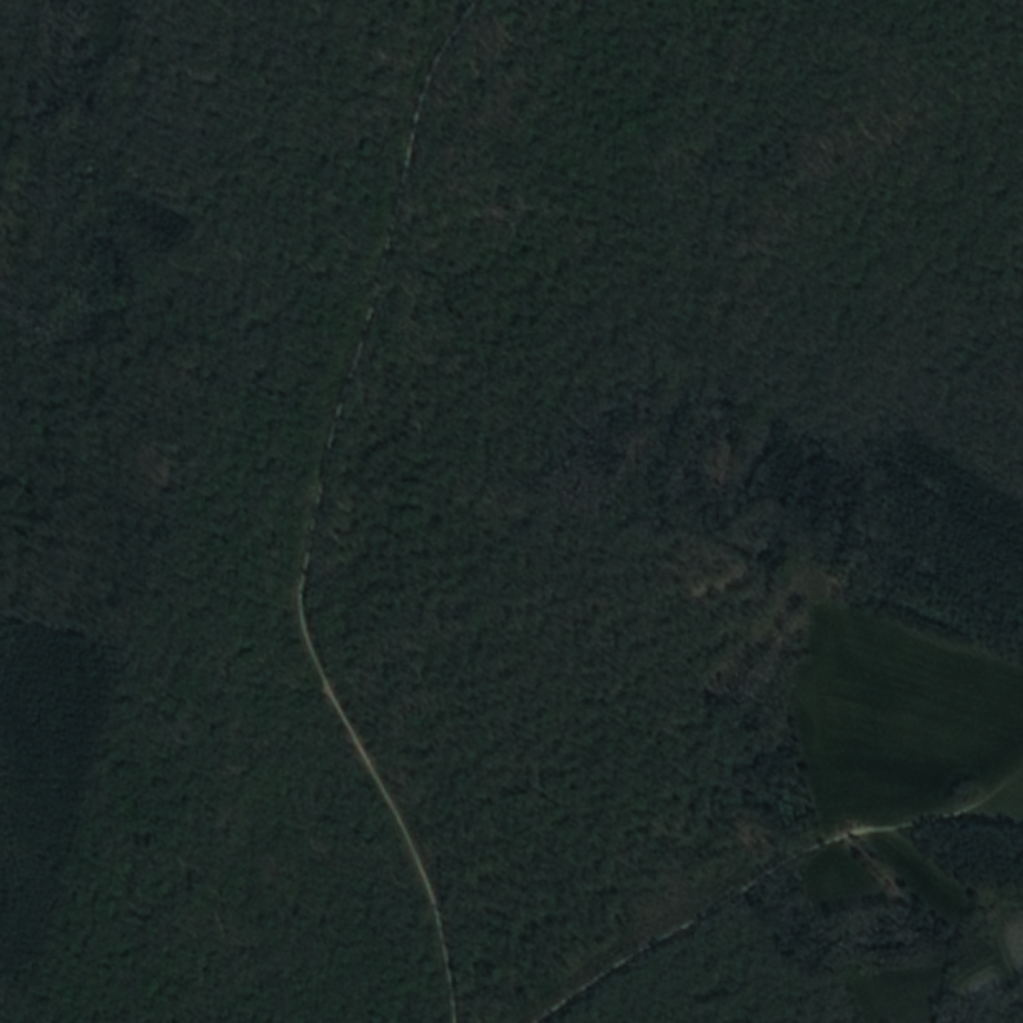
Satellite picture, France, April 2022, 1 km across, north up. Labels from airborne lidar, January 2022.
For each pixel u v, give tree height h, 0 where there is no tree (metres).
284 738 20
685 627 24
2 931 13
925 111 24
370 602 21
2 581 25
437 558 25
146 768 20
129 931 22
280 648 22
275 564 20
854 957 21
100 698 14
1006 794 0
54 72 23
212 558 21
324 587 21
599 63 24
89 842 18
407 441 22
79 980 19
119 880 22
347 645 21
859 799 0
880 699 0
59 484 25
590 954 24
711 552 24
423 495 25
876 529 23
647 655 22
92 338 23
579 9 24
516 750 24
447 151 23
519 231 23
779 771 21
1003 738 0
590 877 24
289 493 22
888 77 25
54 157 20
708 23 23
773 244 20
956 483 16
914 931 20
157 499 20
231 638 23
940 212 20
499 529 22
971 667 0
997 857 22
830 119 26
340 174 23
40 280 26
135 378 24
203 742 16
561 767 22
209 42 21
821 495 22
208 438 22
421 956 24
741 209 18
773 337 18
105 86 24
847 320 16
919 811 0
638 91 25
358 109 22
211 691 20
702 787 25
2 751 16
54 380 22
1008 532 16
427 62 15
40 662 15
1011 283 20
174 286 23
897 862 0
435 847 22
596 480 26
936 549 18
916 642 0
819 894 0
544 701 19
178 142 19
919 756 0
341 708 0
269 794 21
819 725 0
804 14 21
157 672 19
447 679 19
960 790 15
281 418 22
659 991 24
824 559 21
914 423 20
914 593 21
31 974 12
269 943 20
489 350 23
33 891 15
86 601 20
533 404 21
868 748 0
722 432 22
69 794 16
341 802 21
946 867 22
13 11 23
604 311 21
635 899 23
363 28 22
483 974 17
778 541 16
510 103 24
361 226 22
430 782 21
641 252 22
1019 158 20
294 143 22
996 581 23
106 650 16
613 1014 23
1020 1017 19
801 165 24
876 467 16
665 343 25
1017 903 11
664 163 24
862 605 19
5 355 25
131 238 17
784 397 22
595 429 25
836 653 0
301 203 20
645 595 24
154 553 22
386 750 21
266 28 22
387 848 22
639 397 23
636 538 25
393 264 20
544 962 20
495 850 24
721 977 26
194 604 22
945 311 22
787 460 22
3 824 13
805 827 23
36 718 16
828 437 22
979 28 23
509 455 23
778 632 0
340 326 20
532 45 23
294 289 20
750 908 21
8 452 24
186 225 19
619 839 26
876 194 19
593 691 23
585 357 25
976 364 15
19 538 25
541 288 21
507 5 22
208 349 22
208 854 20
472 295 22
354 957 24
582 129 22
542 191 23
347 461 21
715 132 23
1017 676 0
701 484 21
